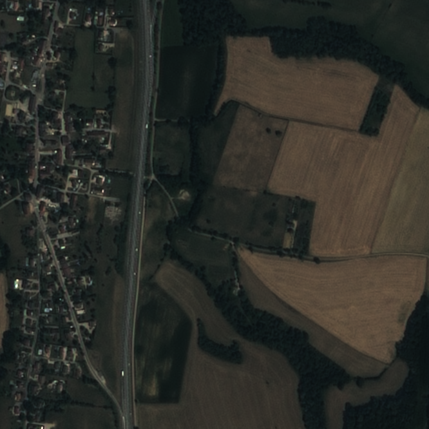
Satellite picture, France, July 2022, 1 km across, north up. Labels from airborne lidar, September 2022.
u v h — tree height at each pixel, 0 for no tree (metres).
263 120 0
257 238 0
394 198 0
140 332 0
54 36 6
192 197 0
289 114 0
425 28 0
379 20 0
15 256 0
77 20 0
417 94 19
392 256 0
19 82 0
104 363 0
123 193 0
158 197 0
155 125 11
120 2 0
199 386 0
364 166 0
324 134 0
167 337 0
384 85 0
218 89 20
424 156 0
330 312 0
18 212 0
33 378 0
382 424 18
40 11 15
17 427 0
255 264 0
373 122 0
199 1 24
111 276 0
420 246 0
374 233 0
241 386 0
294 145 0
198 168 18
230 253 0
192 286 0
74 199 0
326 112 0
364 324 0
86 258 17
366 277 0
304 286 0
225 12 23
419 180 0
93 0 11
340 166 0
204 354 0
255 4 0
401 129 0
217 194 0
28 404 18
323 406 9
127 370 0
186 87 0
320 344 0
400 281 0
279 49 23
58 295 8
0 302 0
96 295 6
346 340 0
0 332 0
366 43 20
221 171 0
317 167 0
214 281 0
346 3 0
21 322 0
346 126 0
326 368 13
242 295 20
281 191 0
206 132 0
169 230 18
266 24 0
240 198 0
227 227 0
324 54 19
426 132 0
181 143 0
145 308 0
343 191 0
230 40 0
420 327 20
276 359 0
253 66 0
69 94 0
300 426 0
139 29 0
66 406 7
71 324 8
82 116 7
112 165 0
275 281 0
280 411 0
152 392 0
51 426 0
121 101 0
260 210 0
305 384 18
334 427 0
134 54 0
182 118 14
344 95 0
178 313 0
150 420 0
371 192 0
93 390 0
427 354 12
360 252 0
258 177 0
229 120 0
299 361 14
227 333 0
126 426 0
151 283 0
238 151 0
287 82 0
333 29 22
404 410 22
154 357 0
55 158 0
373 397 0
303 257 15
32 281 0
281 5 0
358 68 0
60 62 0
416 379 17
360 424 25
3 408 0
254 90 0
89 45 0
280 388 0
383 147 0
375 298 0
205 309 0
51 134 0
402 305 0
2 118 0
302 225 0
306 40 27
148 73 0
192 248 0
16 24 0
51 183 13
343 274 0
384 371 6
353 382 0
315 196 0
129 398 0
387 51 0
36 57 0
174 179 11
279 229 0
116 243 6
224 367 0
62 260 0
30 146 0
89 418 0
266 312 10
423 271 0
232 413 0
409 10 0
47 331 15
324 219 0
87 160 0
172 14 0
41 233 0
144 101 0
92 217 0
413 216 0
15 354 7
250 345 0
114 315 0
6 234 0
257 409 0
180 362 0
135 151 0
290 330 11
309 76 0
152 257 0
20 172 8
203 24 11
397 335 0
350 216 0
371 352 0
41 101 0
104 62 0
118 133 0
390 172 0
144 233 0
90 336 15
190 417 0
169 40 0
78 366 0
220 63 17
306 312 0
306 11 0
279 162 0
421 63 0
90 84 0
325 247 0
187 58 0
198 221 0
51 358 0
